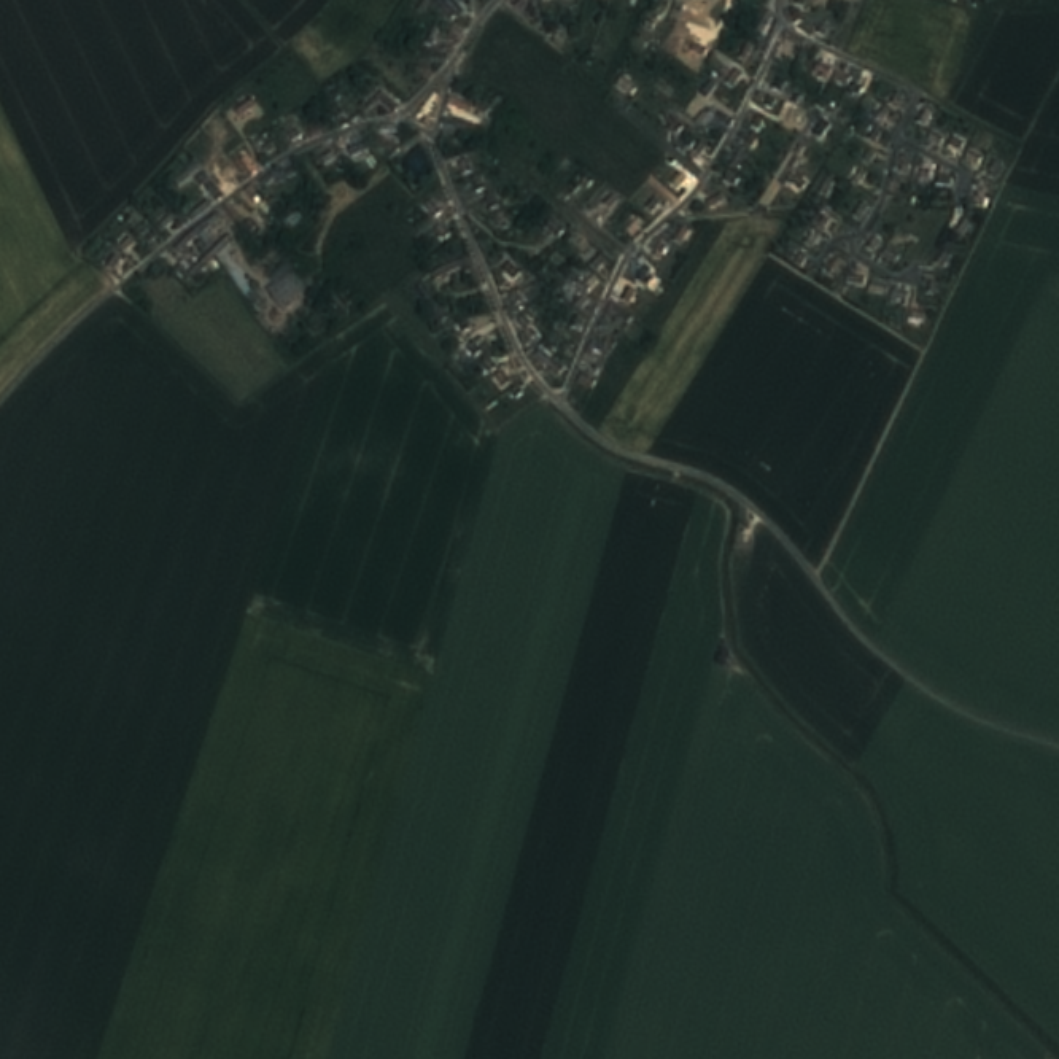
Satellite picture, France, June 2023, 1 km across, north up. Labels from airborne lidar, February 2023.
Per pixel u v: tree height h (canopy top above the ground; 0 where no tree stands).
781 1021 0
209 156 0
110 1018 0
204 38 0
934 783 0
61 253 0
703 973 0
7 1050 0
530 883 0
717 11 0
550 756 0
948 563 0
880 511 0
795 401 0
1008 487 0
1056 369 0
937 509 0
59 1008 0
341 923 0
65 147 0
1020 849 0
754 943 0
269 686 0
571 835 0
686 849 0
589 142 0
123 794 0
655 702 0
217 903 0
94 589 0
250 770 0
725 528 0
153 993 0
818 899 0
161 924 0
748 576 0
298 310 0
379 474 0
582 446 0
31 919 0
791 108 0
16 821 0
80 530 0
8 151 0
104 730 0
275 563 0
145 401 0
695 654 0
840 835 0
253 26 0
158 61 0
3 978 0
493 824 0
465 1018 0
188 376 0
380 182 0
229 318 0
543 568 0
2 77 0
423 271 10
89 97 0
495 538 0
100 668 0
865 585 0
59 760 0
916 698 0
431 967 0
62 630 0
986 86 0
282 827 0
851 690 0
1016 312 0
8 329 0
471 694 0
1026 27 0
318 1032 0
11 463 0
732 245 0
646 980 0
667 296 0
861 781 0
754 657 0
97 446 0
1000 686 0
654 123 0
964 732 0
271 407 0
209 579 0
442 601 0
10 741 0
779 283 0
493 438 0
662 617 0
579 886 0
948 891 0
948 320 0
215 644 0
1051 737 0
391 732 0
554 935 0
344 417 0
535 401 0
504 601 0
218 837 0
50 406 0
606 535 0
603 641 0
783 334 0
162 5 0
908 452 0
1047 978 0
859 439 0
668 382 0
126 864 0
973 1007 0
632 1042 0
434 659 0
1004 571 0
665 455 0
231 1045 0
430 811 0
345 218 0
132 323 0
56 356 0
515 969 0
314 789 0
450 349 11
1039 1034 0
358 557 0
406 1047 0
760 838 0
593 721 0
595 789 0
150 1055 0
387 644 0
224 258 0
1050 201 0
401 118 0
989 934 0
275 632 0
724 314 0
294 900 0
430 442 0
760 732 0
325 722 0
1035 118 0
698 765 0
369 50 0
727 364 0
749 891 0
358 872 0
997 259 0
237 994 0
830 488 0
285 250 6
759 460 0
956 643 0
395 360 0
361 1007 0
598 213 0
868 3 0
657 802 0
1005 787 0
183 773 0
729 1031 0
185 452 0
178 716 0
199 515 0
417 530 0
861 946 0
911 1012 0
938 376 0
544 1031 0
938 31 0
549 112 0
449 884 0
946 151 0
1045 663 0
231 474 0
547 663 0
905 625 0
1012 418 0
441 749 0
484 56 0
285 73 0
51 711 0
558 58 0
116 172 0
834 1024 0
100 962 0
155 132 0
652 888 0
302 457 0
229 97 0
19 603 0
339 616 0
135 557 0
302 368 0
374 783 0
